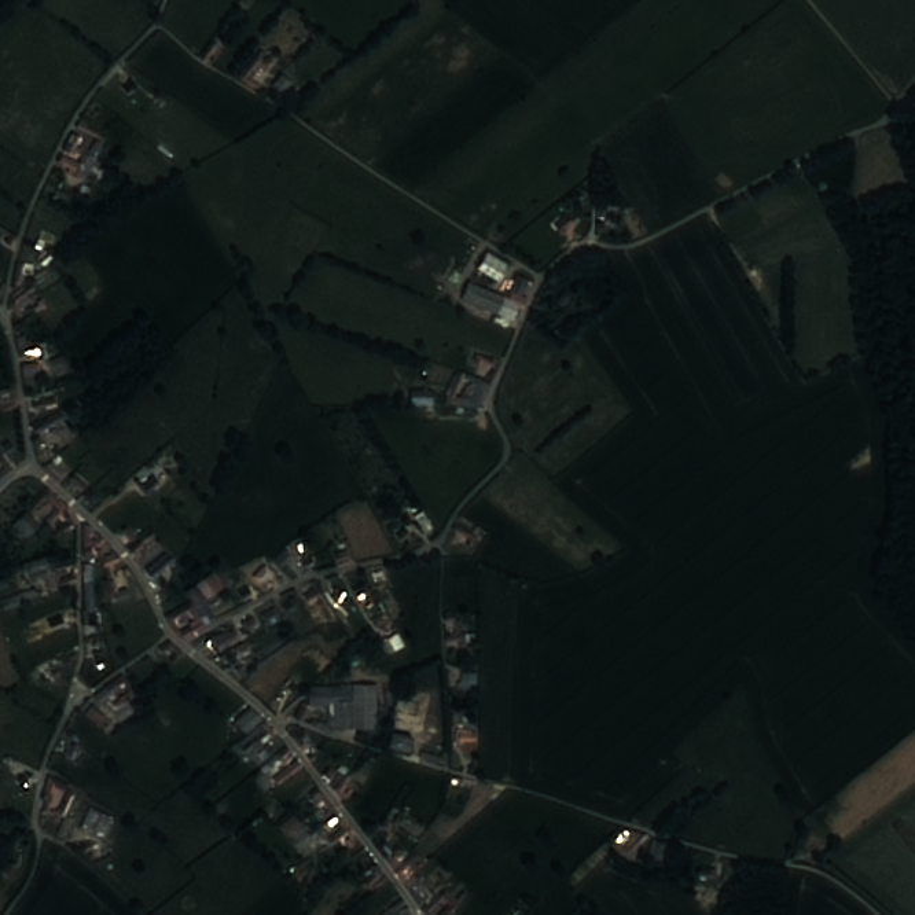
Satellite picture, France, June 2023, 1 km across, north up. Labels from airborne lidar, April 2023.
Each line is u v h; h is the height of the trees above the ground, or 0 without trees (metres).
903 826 0
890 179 0
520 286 0
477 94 0
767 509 0
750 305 0
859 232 17
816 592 0
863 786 0
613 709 0
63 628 0
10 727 0
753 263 0
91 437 0
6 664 0
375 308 0
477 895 0
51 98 0
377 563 0
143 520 0
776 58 0
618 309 0
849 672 0
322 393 0
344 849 11
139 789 0
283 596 0
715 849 0
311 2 0
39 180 0
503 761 0
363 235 0
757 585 0
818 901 0
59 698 0
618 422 0
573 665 0
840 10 0
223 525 0
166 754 0
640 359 0
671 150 0
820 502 0
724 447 0
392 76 0
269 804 0
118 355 23
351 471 0
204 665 0
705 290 0
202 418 0
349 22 0
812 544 0
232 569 0
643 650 0
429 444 0
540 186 0
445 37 0
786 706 0
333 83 0
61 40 0
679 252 0
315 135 0
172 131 0
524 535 0
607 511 0
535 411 0
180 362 0
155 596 0
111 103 0
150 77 0
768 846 0
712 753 0
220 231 0
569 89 0
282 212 0
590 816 0
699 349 0
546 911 0
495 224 0
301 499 0
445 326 0
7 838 15
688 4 0
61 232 0
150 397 0
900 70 0
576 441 0
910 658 0
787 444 0
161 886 0
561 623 0
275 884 0
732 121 0
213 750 0
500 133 0
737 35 0
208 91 0
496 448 0
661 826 15
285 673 0
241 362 0
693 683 0
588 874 0
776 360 0
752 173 0
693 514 0
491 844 0
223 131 0
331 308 0
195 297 0
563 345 9
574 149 0
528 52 0
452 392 0
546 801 0
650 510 0
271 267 0
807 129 0
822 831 0
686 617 0
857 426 0
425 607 0
